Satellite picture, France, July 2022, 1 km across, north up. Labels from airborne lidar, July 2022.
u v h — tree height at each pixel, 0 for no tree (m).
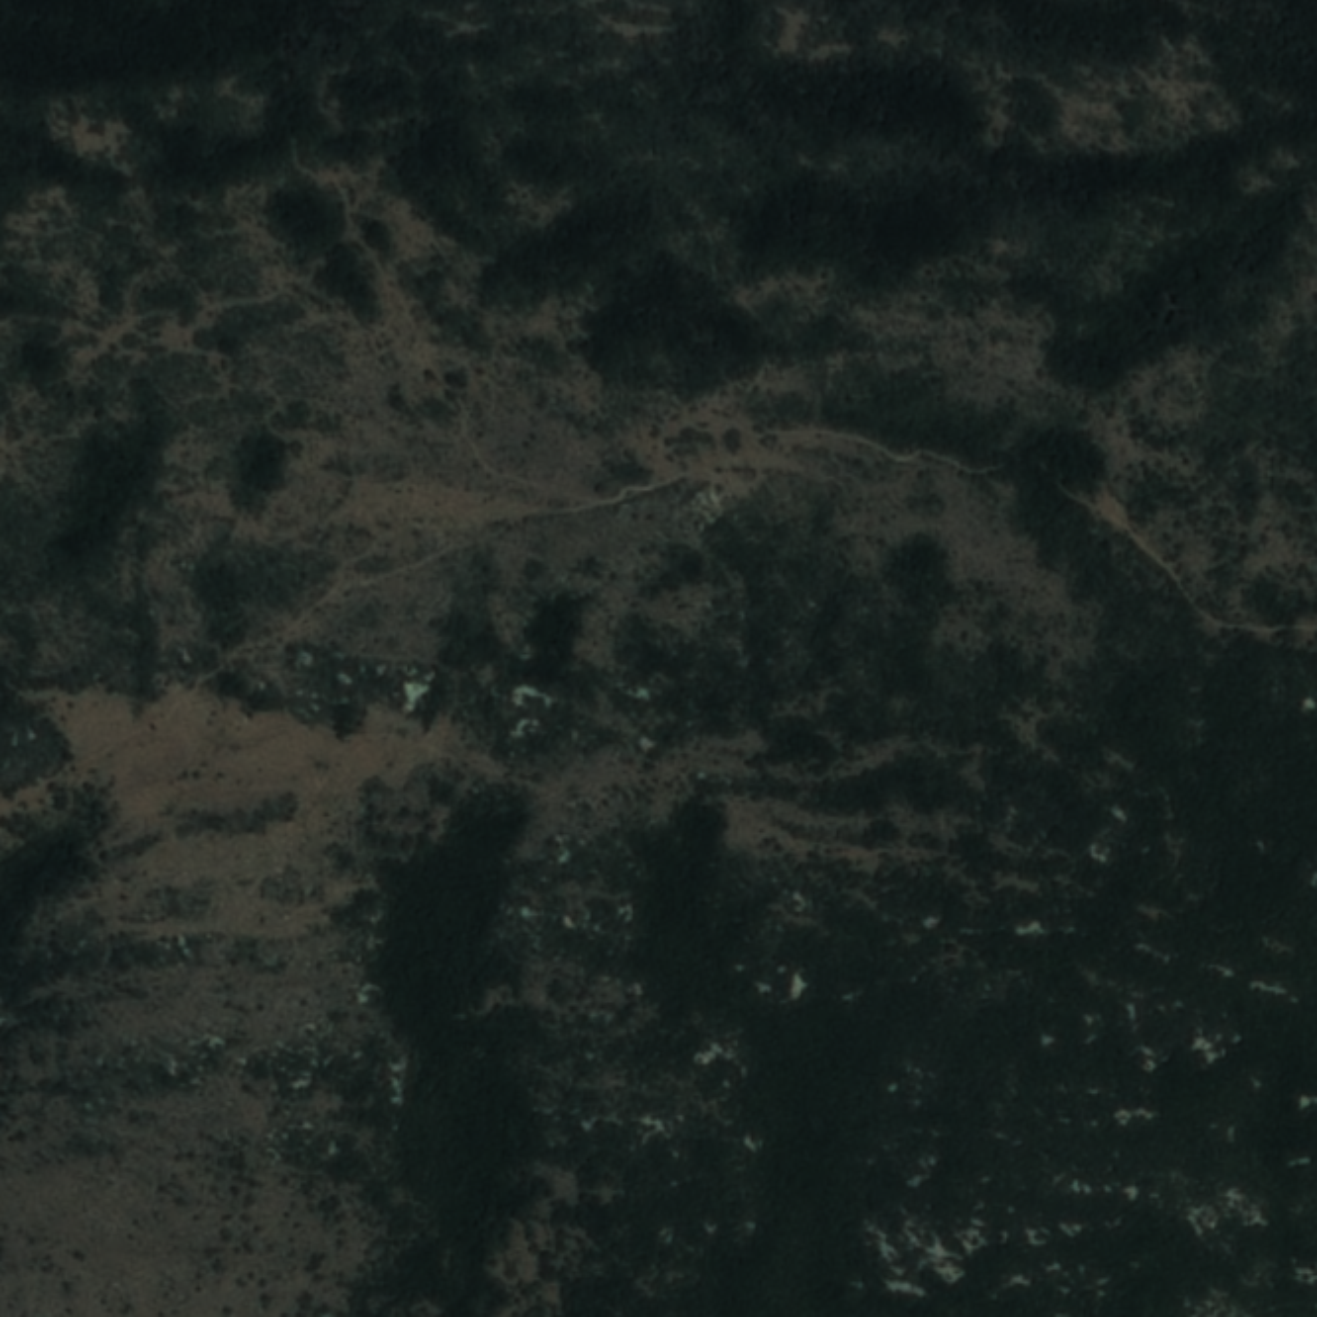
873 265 7
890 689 6
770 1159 8
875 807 6
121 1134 0
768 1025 10
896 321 0
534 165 9
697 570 7
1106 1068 6
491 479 0
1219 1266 7
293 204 14
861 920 7
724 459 0
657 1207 6
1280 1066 10
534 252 8
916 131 8
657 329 7
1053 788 6
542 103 7
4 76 8
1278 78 5
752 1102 7
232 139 6
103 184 8
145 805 0
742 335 7
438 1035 10
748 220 8
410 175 8
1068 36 6
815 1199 10
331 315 0
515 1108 10
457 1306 7
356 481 0
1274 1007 6
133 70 10
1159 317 18
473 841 8
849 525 0
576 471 0
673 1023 6
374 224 9
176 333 0
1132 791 7
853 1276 7
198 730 0
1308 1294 7
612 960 6
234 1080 0
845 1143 9
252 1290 0
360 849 0
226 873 0
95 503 10
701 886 7
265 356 0
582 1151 7
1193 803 9
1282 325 0
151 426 7
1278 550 0
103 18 9
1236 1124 5
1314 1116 10
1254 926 8
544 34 6
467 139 10
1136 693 9
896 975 6
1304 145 6
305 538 0
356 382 0
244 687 7
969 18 8
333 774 0
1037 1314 7
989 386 0
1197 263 16
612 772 0
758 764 7
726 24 8
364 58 6
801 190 12
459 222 6
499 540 0
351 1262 0
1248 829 8
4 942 7
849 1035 8
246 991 0
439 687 6
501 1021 5
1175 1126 7
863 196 8
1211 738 9
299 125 10
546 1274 8
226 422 0
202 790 0
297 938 0
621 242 7
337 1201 7
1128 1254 6
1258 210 12
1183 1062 6
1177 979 5
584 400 0
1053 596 0
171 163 6
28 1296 0
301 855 0
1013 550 0
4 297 6
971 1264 6
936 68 9
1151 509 6
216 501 0
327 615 0
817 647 7
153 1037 0
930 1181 6
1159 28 7
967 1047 6
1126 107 8
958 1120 5
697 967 7
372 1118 6
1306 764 8
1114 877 5
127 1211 0
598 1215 7
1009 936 6
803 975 5
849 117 12
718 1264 6
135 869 0
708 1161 6
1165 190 8
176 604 0
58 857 9
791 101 11
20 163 5
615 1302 7
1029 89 6
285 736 0
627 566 0
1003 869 7
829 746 6
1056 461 12
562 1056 6
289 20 8
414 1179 6
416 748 0
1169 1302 8
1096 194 13
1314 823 7
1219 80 5
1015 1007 6
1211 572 6
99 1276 0
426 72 8
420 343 0
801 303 0
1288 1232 7
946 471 0
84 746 0
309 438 0
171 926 0
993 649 7
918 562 7
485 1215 8
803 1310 7
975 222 6
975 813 5
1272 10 7
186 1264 0
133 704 0
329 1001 0
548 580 0
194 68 6
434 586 0
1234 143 8
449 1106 10
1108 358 18
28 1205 0
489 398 0
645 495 0
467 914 8
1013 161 13
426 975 10
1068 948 8
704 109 6
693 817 6
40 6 9
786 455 0
